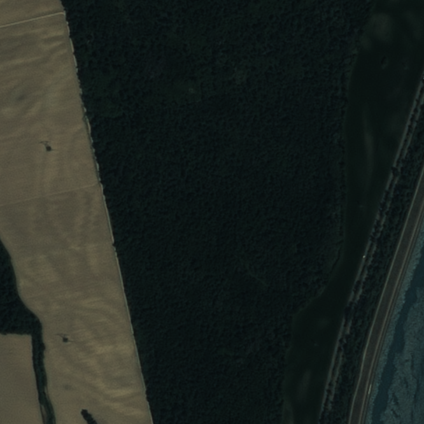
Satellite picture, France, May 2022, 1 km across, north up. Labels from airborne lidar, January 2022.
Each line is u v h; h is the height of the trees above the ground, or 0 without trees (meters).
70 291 0
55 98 0
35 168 0
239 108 13
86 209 0
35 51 0
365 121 0
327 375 0
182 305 13
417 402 0
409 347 0
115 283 0
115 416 0
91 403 0
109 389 0
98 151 17
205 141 16
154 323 14
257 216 18
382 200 0
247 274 8
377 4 0
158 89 13
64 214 0
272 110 13
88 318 0
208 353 15
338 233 10
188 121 19
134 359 0
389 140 0
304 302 20
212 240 17
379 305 0
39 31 0
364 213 0
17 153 0
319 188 13
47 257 0
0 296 22
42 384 11
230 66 15
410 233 0
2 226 0
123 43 14
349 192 0
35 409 0
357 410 0
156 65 17
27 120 0
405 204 11
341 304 0
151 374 13
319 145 13
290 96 14
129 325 0
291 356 0
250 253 16
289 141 17
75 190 0
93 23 7
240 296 10
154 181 21
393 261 0
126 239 16
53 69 0
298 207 12
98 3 18
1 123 0
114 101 22
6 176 0
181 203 20
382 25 0
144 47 18
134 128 18
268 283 11
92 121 14
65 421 0
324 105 8
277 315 16
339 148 18
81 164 0
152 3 18
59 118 0
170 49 11
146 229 19
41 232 0
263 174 12
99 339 0
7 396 0
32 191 0
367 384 0
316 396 0
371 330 0
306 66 17
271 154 12
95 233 0
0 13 0
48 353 0
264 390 18
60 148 0
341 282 0
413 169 14
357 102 0
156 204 16
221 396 16
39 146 0
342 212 7
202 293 8
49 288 0
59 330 0
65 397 0
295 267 14
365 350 0
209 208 18
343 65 20
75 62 0
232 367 17
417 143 7
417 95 0
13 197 0
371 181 0
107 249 0
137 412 0
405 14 0
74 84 0
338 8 7
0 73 0
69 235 0
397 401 0
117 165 25
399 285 0
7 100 0
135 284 11
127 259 11
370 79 0
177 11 10
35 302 0
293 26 17
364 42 0
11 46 0
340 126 15
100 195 0
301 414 0
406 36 0
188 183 15
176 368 14
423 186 0
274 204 16
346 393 21
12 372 0
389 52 0
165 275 15
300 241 15
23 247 0
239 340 18
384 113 0
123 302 0
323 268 26
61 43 0
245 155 7
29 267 0
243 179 16
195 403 17
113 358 0
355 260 0
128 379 0
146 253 18
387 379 0
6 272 16
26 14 0
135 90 7
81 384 0
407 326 0
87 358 0
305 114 14
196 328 15
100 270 0
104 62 6
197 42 0
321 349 0
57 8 0
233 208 20
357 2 17
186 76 10
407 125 0
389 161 0
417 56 0
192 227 14
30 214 0
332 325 0
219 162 13
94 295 0
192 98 0
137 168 22
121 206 17
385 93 0
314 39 16
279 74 17
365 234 0
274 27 13
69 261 0
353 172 0
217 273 13
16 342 0
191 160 17
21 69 0
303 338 0
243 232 15
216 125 18
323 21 15
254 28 14
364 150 0
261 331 15
